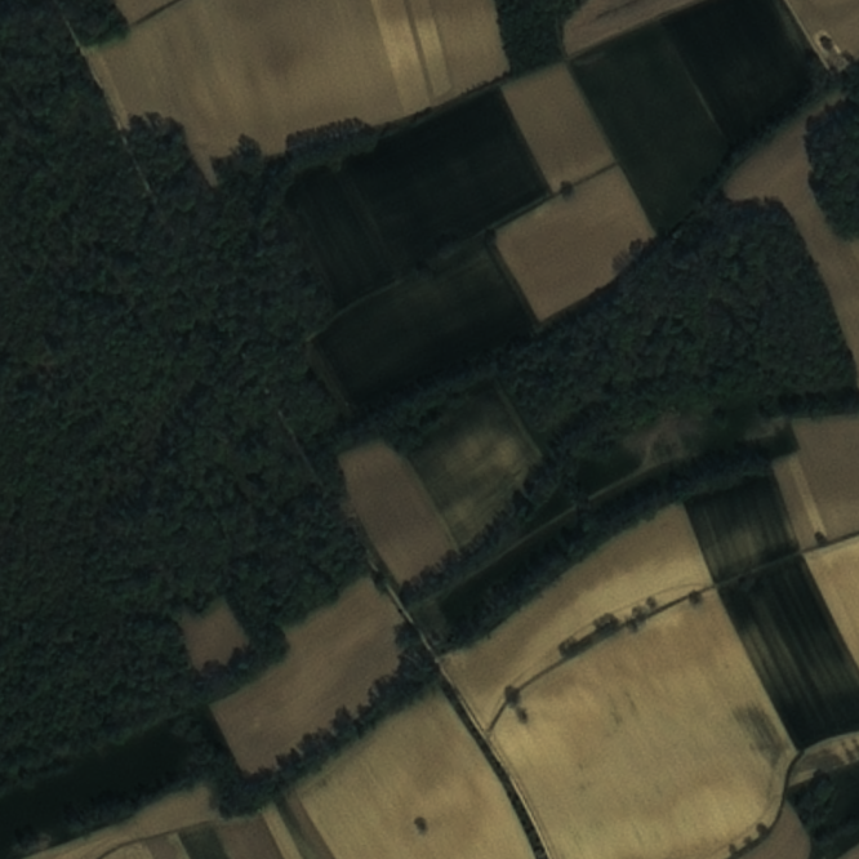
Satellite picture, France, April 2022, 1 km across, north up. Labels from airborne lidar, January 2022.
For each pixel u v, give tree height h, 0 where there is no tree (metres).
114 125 16
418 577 0
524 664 0
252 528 35
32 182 19
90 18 34
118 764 0
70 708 22
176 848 0
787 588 0
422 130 0
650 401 33
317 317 29
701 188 0
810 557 0
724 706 0
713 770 0
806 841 0
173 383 39
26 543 12
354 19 0
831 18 0
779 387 28
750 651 0
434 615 0
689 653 0
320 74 0
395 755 0
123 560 22
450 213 0
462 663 0
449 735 0
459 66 0
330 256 0
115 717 20
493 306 0
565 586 0
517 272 0
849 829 6
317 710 0
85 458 11
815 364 37
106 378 30
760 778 0
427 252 0
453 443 0
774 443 0
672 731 0
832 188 30
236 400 31
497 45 0
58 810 0
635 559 0
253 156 32
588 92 0
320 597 33
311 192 0
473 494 0
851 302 0
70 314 36
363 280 0
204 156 0
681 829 0
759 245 36
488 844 0
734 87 0
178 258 35
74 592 7
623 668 0
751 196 0
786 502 0
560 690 0
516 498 0
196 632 0
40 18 34
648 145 0
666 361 33
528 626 0
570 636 0
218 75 0
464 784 0
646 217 0
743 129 0
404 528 0
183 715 24
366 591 0
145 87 0
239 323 29
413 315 0
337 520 26
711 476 27
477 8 0
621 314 35
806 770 0
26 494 13
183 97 0
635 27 0
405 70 0
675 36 0
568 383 27
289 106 0
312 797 0
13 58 34
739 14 0
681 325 35
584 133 0
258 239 20
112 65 0
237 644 0
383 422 24
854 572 0
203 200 35
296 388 38
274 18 0
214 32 0
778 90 0
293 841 0
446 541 0
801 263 31
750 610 0
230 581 26
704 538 0
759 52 0
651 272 30
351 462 0
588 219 0
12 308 18
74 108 39
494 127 0
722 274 16
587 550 23
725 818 0
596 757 0
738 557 0
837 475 0
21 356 11
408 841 0
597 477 0
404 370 0
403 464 0
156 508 37
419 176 0
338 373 0
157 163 29
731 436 0
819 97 12
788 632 0
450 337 0
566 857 0
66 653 15
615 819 0
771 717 0
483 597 0
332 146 33
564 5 22
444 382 20
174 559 31
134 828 0
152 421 36
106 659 19
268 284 33
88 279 16
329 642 0
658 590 0
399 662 0
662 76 0
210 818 0
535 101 0
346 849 0
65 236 12
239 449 36
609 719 0
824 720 0
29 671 21
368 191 0
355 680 0
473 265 0
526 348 23
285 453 29
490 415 0
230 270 37
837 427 0
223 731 0
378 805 0
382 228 0
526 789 0
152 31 0
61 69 36
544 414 27
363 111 0
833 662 0
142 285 36
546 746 0
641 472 0
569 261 0
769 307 29
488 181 0
